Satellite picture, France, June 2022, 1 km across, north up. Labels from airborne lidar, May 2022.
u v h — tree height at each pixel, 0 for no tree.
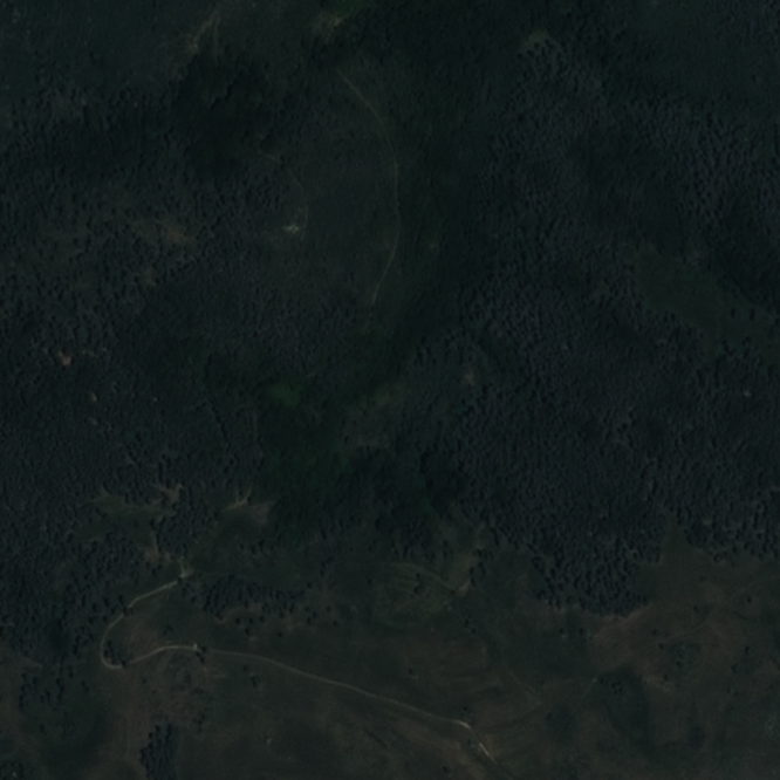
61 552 13
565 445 19
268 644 0
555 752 0
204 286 18
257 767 0
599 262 16
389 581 0
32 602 18
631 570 18
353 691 0
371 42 18
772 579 0
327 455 8
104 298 15
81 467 17
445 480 19
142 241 16
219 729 0
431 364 6
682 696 0
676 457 22
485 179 19
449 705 0
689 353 15
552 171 18
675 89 7
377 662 0
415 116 6
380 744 0
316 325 6
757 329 0
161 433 15
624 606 17
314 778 0
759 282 15
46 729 12
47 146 14
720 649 0
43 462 15
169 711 0
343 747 0
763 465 15
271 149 12
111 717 0
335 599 0
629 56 8
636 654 0
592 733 0
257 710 0
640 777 0
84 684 11
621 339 13
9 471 20
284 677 0
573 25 18
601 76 14
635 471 15
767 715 0
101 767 0
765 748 0
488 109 20
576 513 21
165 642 0
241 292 14
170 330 16
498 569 0
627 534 21
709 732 0
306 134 16
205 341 10
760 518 16
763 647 0
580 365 19
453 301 19
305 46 14
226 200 16
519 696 0
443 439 7
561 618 0
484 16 19
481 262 10
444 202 10
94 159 20
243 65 10
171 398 21
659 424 21
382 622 0
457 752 0
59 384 21
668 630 0
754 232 11
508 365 15
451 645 0
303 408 10
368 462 18
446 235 15
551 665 0
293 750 0
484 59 28
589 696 0
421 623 0
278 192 12
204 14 0
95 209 13
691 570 0
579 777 0
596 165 20
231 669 0
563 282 15
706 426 17
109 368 18
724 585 0
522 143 14
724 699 0
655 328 19
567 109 9
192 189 15
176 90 9
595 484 21
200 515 16
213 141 15
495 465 20
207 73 21
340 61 14
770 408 18
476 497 9
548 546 14
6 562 14
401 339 16
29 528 13
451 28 28
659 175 15
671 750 0
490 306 10
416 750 0
